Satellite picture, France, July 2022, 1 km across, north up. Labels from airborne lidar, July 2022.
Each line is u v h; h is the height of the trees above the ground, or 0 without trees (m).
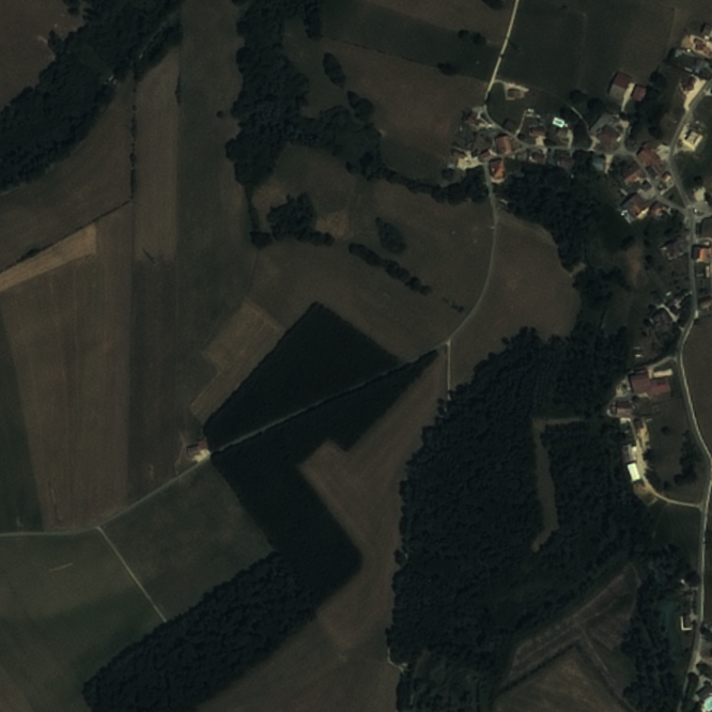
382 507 0
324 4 8
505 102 0
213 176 0
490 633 15
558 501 9
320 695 0
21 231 0
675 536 0
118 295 0
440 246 0
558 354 30
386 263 8
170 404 0
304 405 12
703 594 0
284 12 10
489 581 15
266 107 21
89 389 0
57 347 0
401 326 0
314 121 9
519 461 25
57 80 19
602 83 0
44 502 0
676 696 18
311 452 12
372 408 15
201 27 0
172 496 0
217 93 0
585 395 17
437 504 21
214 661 28
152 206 0
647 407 0
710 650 0
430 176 0
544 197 23
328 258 0
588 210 26
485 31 0
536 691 0
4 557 0
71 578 0
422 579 21
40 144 7
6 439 0
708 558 0
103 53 7
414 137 0
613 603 0
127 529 0
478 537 23
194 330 0
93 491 0
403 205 0
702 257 0
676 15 0
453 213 0
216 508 0
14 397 0
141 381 0
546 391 29
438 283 0
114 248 0
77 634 0
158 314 0
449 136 0
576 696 0
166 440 0
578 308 0
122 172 0
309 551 11
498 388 24
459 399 15
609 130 0
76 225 0
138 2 0
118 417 0
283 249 0
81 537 0
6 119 11
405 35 0
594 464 6
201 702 19
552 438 21
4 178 7
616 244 0
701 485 0
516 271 0
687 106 0
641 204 0
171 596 0
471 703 17
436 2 0
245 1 23
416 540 22
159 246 0
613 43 0
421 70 0
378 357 11
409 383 11
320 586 9
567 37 0
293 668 0
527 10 0
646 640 18
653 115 15
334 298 0
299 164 0
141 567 0
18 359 0
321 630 0
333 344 12
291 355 11
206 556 0
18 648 0
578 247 26
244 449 11
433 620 18
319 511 8
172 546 0
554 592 6
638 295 0
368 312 0
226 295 0
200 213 0
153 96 0
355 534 0
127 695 24
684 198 0
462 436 22
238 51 0
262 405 12
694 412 0
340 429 14
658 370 0
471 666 32
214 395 0
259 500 10
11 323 0
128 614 0
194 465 0
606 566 33
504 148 0
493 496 26
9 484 0
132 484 0
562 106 0
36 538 0
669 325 7
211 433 11
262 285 0
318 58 0
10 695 0
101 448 0
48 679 0
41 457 0
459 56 0
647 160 0
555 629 0
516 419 25
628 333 9
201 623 19
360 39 0
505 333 0
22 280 0
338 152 6
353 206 0
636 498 12
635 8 0
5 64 0
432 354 10
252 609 26
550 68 0
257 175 9
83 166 0
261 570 16
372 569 0
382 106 0
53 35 15
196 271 0
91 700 18
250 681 0
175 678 26
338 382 12
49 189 0
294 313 0
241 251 0
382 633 0
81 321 0
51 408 0
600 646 0
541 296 0
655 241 0
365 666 0
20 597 0
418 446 0
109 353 0
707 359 0
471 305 0
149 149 0
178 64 0
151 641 19
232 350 0
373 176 9
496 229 0
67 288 0
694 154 0
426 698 6
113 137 0
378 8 0
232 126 0
